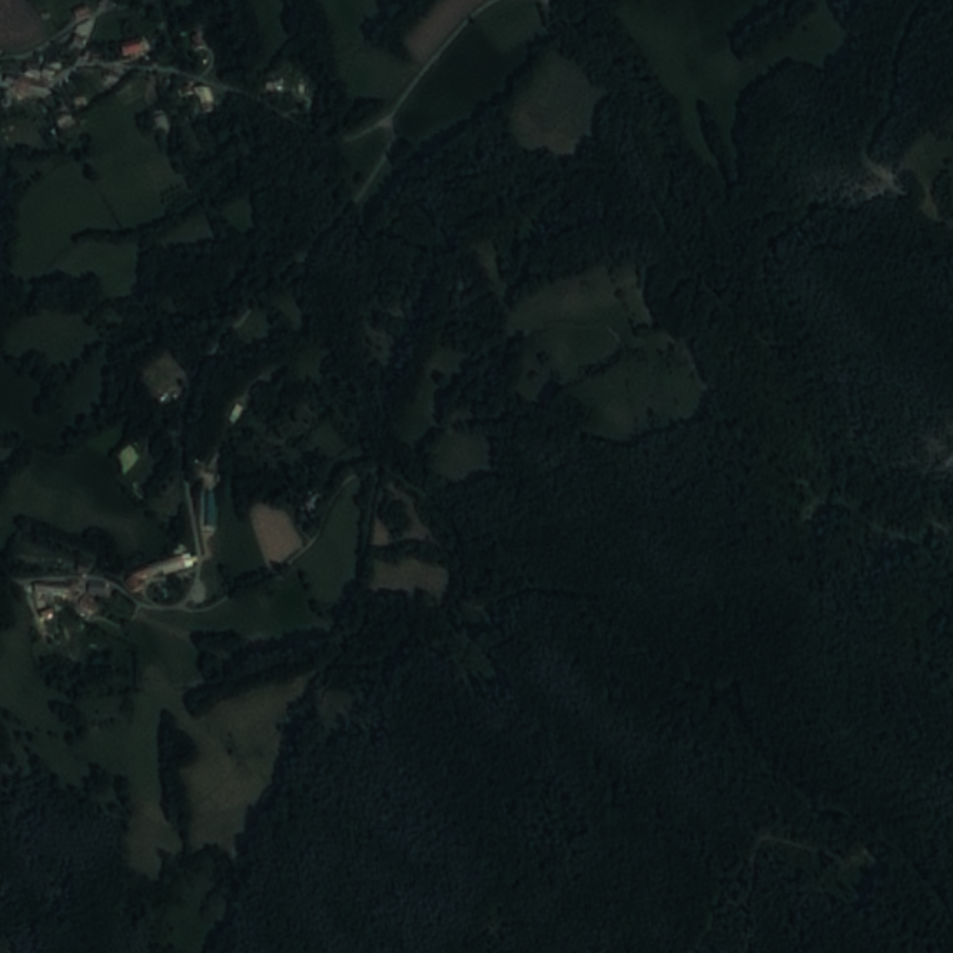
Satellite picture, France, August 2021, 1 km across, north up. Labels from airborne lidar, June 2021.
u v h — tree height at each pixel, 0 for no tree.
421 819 24
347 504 0
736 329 25
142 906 8
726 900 8
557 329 0
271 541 0
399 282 9
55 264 0
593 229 31
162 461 9
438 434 12
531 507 24
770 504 15
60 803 21
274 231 18
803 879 15
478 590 9
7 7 0
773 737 26
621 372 0
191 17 26
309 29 24
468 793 21
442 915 19
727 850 19
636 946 21
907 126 11
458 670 24
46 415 14
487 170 11
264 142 21
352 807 26
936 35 25
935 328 26
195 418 17
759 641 29
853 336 13
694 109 0
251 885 23
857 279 27
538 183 9
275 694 0
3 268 21
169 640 0
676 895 22
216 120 9
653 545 16
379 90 0
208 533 0
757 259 22
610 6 16
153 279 19
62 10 0
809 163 8
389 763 22
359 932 17
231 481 13
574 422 17
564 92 0
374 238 22
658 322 15
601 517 18
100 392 0
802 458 15
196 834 0
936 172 0
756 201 29
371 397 17
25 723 6
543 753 21
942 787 15
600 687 25
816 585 12
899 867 21
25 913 20
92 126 0
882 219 18
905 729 17
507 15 0
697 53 0
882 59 20
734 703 11
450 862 23
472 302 13
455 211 28
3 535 0
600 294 0
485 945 19
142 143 0
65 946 18
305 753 26
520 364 19
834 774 24
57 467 0
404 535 9
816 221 18
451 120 0
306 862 29
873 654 14
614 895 23
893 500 23
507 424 17
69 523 0
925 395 16
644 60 7
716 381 21
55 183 0
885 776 18
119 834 18
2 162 20
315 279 23
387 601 22
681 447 14
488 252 0
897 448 18
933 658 22
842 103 19
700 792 17
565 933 23
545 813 18
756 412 17
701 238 23
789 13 17
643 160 17
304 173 21
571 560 20
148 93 0
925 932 19
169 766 16
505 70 0
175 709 0
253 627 0
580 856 24
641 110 26
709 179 24
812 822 24
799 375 25
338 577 0
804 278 16
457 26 0
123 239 15
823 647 15
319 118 15
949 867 20
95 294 21
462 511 19
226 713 0
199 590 0
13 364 14
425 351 25
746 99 13
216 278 26
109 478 0
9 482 17
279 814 23
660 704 28
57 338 0
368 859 21
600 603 26
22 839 10
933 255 23
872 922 26
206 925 0
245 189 19
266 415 12
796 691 23
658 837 27
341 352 17
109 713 0
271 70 8
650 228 28
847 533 24
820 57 0
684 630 25
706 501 15
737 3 0
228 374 22
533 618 24
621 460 20
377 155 0
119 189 0
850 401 9
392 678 21
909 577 26
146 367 7
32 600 0
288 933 21
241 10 22
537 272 18
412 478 20
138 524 0
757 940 6
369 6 0
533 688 23
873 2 19
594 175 23
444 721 25
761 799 25
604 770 26
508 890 20
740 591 23
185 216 16
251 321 0
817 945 21
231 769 0
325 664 20
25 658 0
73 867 12
